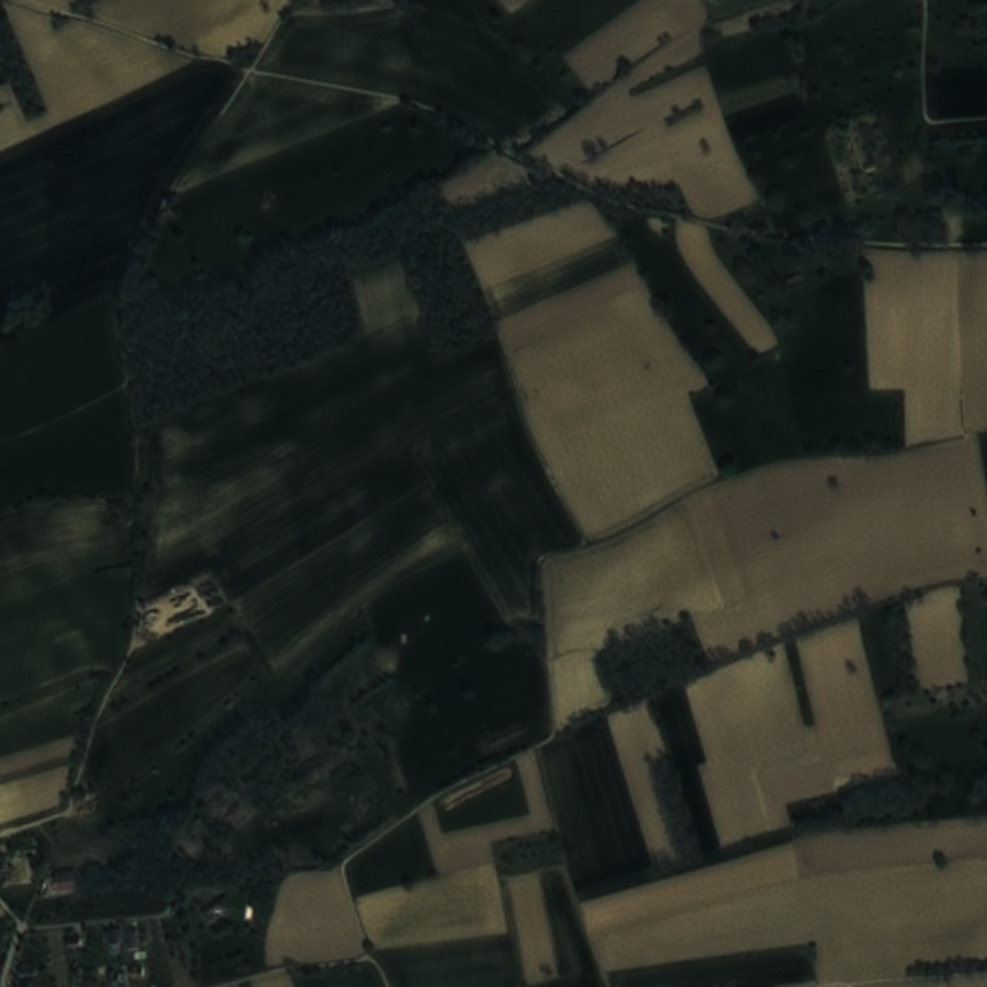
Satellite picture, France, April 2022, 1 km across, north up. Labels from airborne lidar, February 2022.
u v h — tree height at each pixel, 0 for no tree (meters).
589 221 0
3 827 0
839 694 0
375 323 0
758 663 0
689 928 0
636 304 0
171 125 0
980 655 0
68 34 0
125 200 0
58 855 0
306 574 0
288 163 0
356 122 0
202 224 0
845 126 11
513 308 0
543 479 0
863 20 0
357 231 15
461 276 21
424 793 0
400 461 0
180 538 0
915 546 0
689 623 11
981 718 0
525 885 0
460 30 0
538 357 0
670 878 0
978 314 0
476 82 0
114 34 0
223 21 0
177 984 0
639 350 0
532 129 0
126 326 15
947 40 0
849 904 0
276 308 24
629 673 22
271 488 0
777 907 0
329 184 0
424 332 14
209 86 0
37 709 0
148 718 0
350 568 0
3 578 0
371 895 0
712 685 0
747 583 0
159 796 0
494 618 0
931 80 0
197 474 0
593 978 0
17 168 0
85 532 0
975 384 0
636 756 0
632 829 0
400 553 0
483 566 0
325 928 0
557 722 0
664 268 0
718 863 0
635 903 0
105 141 0
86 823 0
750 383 0
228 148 0
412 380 0
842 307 0
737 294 0
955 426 0
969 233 0
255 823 0
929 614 0
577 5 0
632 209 16
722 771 0
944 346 0
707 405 0
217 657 0
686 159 0
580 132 0
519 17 0
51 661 0
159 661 0
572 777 0
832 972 0
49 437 0
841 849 0
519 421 0
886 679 0
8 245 0
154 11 0
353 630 0
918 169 0
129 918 0
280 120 0
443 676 0
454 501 0
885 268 0
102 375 0
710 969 0
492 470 0
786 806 0
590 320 0
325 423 0
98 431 0
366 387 0
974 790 15
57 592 0
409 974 0
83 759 12
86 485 0
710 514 0
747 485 0
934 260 0
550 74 0
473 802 0
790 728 0
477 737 0
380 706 0
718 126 0
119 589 0
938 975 11
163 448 0
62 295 0
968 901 0
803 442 0
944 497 0
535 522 0
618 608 0
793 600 0
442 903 0
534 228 0
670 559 0
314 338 13
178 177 0
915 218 16
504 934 0
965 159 14
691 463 0
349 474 0
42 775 0
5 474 0
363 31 0
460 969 0
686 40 0
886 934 0
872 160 11
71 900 0
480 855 0
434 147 0
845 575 0
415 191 16
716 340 0
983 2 7
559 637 0
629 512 0
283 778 0
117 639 0
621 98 0
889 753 0
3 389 0
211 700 0
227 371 18
